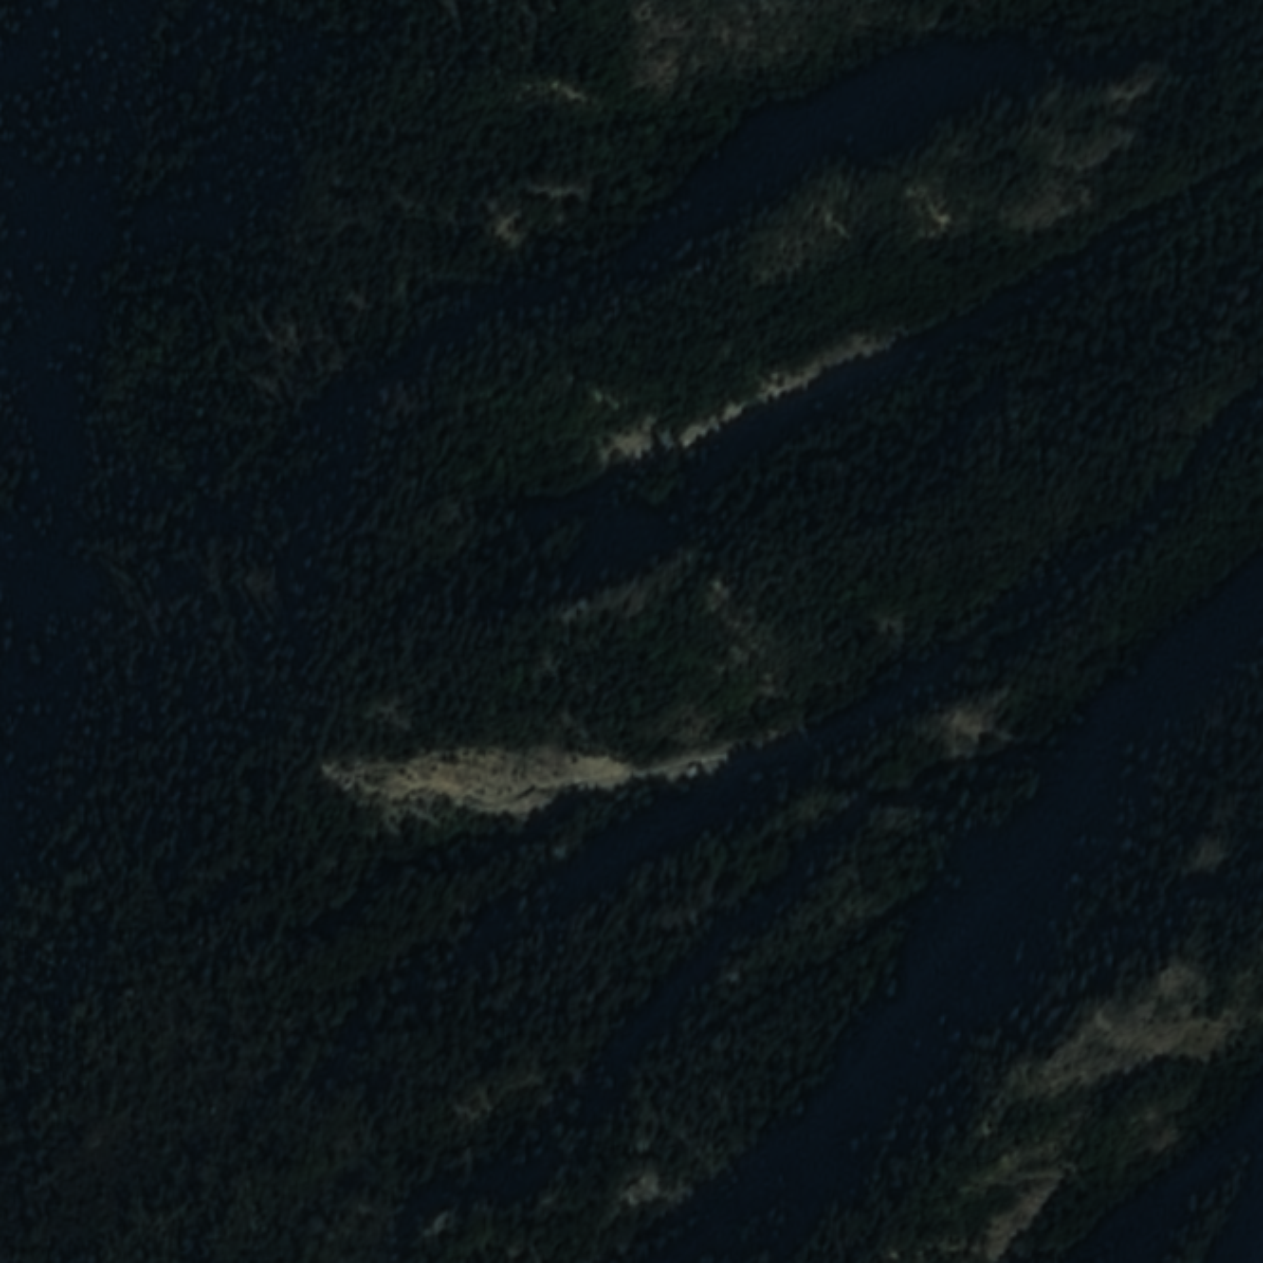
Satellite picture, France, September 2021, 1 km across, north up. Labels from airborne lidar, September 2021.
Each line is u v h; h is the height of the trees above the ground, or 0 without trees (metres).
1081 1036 7
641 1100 14
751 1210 9
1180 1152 9
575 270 24
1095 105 8
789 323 16
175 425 8
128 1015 11
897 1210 36
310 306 15
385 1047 10
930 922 25
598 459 10
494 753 7
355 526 10
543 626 16
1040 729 18
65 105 16
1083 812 14
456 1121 14
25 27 18
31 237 10
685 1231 12
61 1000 6
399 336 26
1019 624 31
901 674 13
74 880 24
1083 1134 13
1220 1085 20
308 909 19
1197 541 16
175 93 12
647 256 26
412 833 15
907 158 19
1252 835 19
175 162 31
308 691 26
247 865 8
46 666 12
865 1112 18
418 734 12
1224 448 12
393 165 26
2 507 6
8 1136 7
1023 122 7
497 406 19
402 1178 14
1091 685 25
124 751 26
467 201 10
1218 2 25
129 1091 7
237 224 12
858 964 24
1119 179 21
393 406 35
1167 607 20
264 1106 10
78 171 14
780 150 23
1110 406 35
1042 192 10
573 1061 14
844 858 13
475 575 23
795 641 21
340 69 14
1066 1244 15
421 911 20
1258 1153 15
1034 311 18
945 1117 24
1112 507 18
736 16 6
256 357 24
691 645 16
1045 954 26
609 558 14
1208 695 20
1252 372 14
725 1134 20
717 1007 19
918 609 14
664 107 12
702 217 20
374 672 15
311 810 16
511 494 23
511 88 16
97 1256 7
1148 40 22
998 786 23
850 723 0
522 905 8
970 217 9
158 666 26
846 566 17
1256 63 16
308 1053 15
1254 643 12
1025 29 12
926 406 19
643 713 22
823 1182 23
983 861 21
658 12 7
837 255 12
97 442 11
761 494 29
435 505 10
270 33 11
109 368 11
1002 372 31
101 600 7
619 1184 15
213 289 20
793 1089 20
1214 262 29
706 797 12
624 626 10
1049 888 22
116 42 15
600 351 13
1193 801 28
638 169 12
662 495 12
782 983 24
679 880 20
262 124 15
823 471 28
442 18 30
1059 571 14
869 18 9
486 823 11
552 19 24
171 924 13
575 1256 13
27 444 25
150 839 7
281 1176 22
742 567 18
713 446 12
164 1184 5
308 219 7
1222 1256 18
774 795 34
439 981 6
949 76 22
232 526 8
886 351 0
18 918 6
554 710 13
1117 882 28
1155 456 33
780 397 0
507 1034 15
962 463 21
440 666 16
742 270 9
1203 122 23
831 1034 12
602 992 32
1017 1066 16
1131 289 31
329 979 17
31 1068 7
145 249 10
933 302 18
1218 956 22
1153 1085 16
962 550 23
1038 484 19
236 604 0
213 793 28
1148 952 31
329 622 29
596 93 19
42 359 23
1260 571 17
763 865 26
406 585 16
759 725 28
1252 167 15
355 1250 5
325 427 8
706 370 12
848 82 13
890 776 26
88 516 25
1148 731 17
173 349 6
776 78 20
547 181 26
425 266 14
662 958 20
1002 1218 7
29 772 21
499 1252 8
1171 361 36
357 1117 7
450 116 28
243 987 6
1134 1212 8
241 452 13
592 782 0
